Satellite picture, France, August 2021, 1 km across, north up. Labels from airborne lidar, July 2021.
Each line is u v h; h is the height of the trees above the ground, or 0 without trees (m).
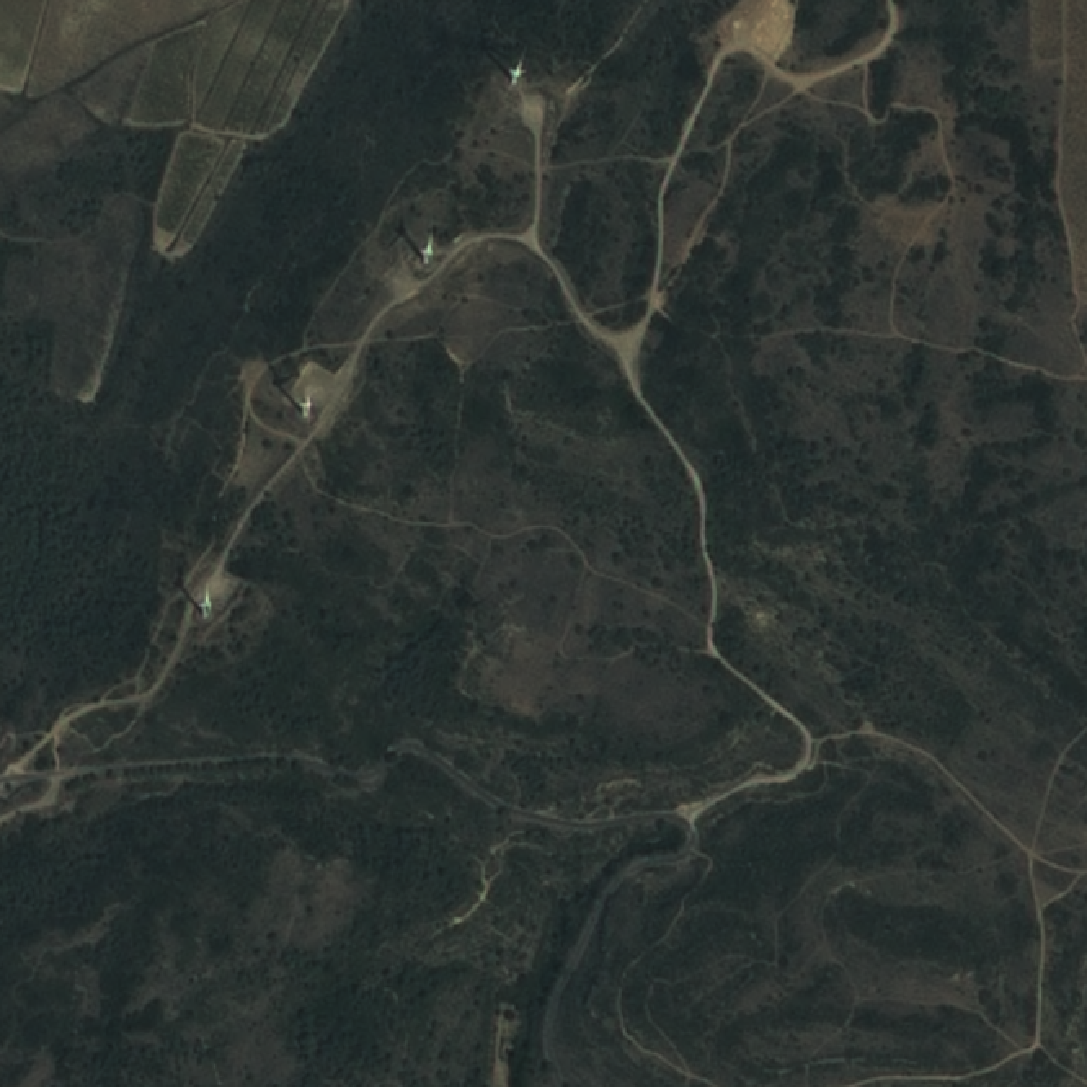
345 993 7
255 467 0
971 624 6
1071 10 0
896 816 0
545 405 0
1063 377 0
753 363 0
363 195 0
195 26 0
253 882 0
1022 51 0
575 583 0
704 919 0
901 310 0
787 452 10
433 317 0
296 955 10
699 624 0
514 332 0
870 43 0
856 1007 0
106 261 0
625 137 0
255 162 12
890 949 0
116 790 0
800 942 0
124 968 8
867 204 0
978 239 0
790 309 9
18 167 0
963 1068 0
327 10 0
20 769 0
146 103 0
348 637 12
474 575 0
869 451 7
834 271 9
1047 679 0
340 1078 10
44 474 8
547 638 0
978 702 0
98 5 0
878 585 8
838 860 0
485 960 8
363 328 0
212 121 0
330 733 6
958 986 0
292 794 5
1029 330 0
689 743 0
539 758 8
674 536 6
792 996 0
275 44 0
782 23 0
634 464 0
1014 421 0
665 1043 0
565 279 0
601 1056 0
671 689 0
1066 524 0
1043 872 0
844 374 0
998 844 0
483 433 0
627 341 0
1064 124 0
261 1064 0
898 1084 0
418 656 12
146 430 0
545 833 6
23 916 7
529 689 0
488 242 0
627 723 0
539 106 0
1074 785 0
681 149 0
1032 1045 0
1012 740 0
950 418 0
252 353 0
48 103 0
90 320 0
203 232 0
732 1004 0
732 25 0
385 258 0
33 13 0
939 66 0
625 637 10
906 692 7
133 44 0
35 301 0
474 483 0
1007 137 6
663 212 0
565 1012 0
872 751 0
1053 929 0
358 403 0
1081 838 0
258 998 6
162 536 0
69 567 8
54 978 0
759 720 8
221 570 0
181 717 0
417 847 13
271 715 9
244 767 12
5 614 9
